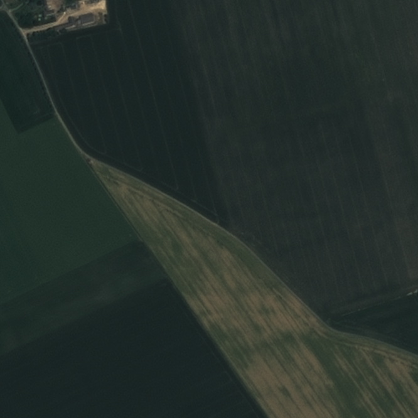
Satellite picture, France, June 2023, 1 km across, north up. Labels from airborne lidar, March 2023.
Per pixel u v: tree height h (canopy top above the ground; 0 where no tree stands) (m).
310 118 0
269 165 0
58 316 0
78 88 0
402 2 0
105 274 0
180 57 0
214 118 0
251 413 0
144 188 0
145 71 0
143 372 0
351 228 0
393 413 0
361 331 0
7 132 0
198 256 0
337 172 0
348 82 0
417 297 0
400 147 0
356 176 0
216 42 0
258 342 0
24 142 0
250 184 0
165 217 0
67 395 0
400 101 0
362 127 0
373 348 0
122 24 0
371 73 0
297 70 0
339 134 0
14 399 0
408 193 0
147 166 0
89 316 0
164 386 0
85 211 0
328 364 0
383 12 0
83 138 0
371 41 0
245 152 0
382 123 0
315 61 0
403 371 0
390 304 0
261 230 0
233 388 0
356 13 0
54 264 0
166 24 0
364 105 0
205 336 0
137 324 0
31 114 0
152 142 0
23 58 0
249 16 0
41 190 0
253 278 0
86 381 0
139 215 0
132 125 0
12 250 0
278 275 0
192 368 0
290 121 0
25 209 0
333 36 0
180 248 0
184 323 0
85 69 0
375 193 0
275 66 0
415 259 0
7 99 0
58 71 0
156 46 0
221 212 0
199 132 0
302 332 0
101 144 0
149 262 0
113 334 0
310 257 0
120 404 0
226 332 0
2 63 0
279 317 0
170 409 0
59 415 0
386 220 0
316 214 0
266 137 0
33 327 0
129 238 0
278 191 0
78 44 0
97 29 0
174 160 0
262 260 0
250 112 0
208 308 0
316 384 0
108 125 0
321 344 0
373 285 0
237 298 0
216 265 0
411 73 0
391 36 0
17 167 0
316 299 0
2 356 0
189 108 0
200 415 0
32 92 0
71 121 0
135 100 0
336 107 0
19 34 15
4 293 0
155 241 0
